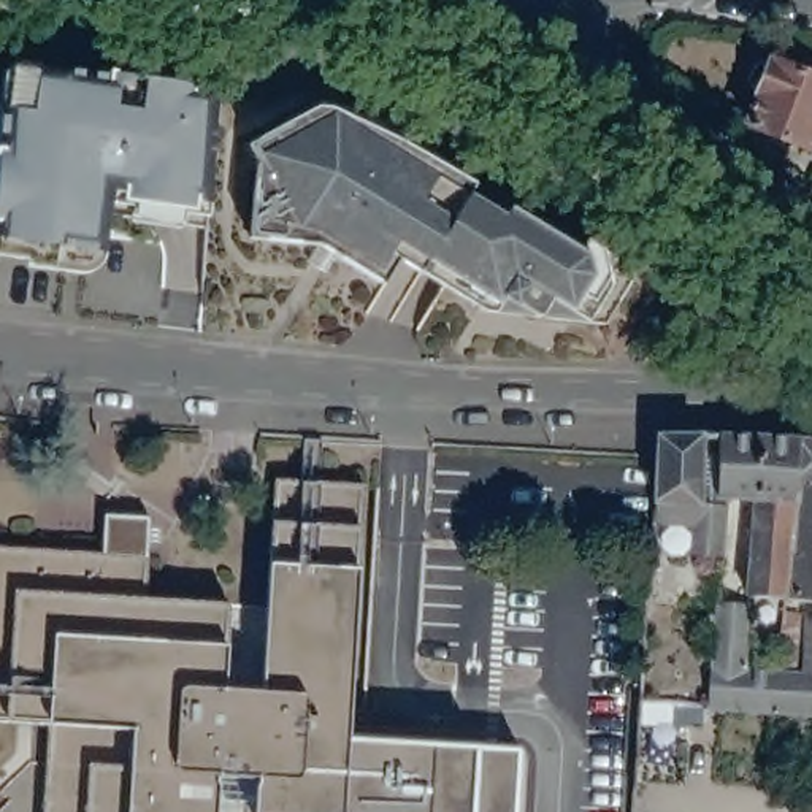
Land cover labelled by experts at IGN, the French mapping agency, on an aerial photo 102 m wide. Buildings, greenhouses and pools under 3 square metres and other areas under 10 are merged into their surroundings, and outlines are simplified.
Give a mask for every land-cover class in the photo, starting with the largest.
<instances>
[{"label":"impervious surface","instance_id":"1","mask_svg":"<svg viewBox=\"0 0 812 812\"><path fill-rule=\"evenodd\" d=\"M520 19L523 32L536 29L542 19L574 22L577 38L571 48L580 73L593 76L599 70H612L615 63H628L634 76L631 92L647 105L657 102L669 108L676 117V133L685 136L688 130H695L704 146L717 149L720 165L733 162V155L742 149L752 152L755 162L771 168L774 181L768 187V203L780 213L793 203H812V162L806 168L793 165L787 155V143L749 130L745 114L755 111V86L771 54L787 57L799 67H812V48L755 41L739 48L707 38L669 44L666 60L691 70V89H663V82L644 67L653 51L634 25L641 22V16H663L666 10L733 22L758 16L771 10H793L799 29L812 25V0H498ZM330 102L352 108L355 95L327 86L317 70L298 60H289L273 76L251 82L244 98L235 102V108L219 102V193L209 200L213 219H187L181 228H168L159 238V251L111 241H105L108 263L92 276L38 273L0 257V406L38 412L48 400L63 403V419L76 416L89 425L86 463L92 469L102 476H114V466L124 460L136 447V441L165 435L168 441H200L203 431L254 435L257 428H298L295 450L305 457V463L324 466L330 450L324 438H343L374 441L381 457V495L377 501L368 498L362 568L365 577L355 584L352 599L355 733L520 745L527 752L523 812H622L625 691L615 688V679L609 676L612 666H622L628 660V644L619 634H612V625H619L625 615V603L615 599V587L606 590V584L571 577L549 590L542 599L517 596L504 590V584L488 587L473 580L469 546L476 539H485L492 530H514L527 520L565 523L571 530V539L587 536L599 527L641 533L653 527L657 431L698 428L739 435H796L799 428L793 422H783L774 409L745 412L726 400L688 403L685 393H660L657 387L641 374L517 371L511 358L495 352L476 355L473 362L463 358L460 352L479 333L517 336L539 349H552L555 333L574 327L571 317L555 314H542L539 320H533L520 311L482 314L473 305L463 308L466 327L450 343L457 355H447L441 362L425 358V352L416 343V333L428 330L435 314L454 301L447 292L438 289V282H425L422 292H374V285L362 282L352 270L339 263L320 273L311 260L308 266H292L257 263L244 257L232 241V222L241 219L251 228L257 159L251 152V143L260 133L279 127L282 121L308 111L311 105ZM206 263H213L222 273L241 270L251 276H270L279 289L289 292V298L263 327L209 324L206 311L200 308L206 305V289H197V276L206 279ZM308 295H352L355 301L368 305V314L362 324L349 330L346 343H330L320 336L301 339L292 336L289 317L298 314ZM441 435L460 441L498 438L517 441L520 447H539L542 441H571L580 447L634 444L641 469L622 473L609 466H530L527 473H520L511 466H498L492 460H435V444ZM438 650L447 653L450 663H457L460 688L454 695L428 688L425 679L416 672V657H435ZM533 663H539L542 669L536 685L508 691L501 688L504 666ZM479 187L488 200L501 206H517V197L508 184L488 181V174L479 178ZM251 473V457L244 450L228 454L219 463V469L206 479H184L178 495L168 488H136L130 498L98 495L95 501L86 498L70 504H41L35 520L41 530H79L82 536L76 549H102L105 514H146L155 523V530L146 533V542H152L168 565L181 561L178 542L187 533L181 520L190 517L193 504L222 501L228 498L238 482H247ZM749 501L739 504L736 498H730L726 504L723 552V599L742 606L749 622H755L758 615L764 625L774 622L780 606H802V615L812 619V603L809 596H793V590L780 596L758 593L752 599L739 590V580H749ZM701 558L691 549L685 555H669L660 549L653 587L644 609V619L653 622L660 641L657 650L647 657L641 682L653 685L650 701L641 704V723L653 730L657 745H672L676 739L701 745L711 742L714 726V714L704 701L711 698L714 660L695 657L682 638L685 606L691 603V596L698 593V580L691 565ZM48 730H35L32 720H19L16 730H10L0 720V812H44ZM216 793L225 796L222 812H254L257 780H238L216 787Z\"/></svg>","mask_w":812,"mask_h":812},{"label":"building","instance_id":"2","mask_svg":"<svg viewBox=\"0 0 812 812\"><path fill-rule=\"evenodd\" d=\"M749 130L787 143V155L793 165L806 168L812 162V67H799L787 57L771 54L755 86V111L745 114ZM206 98L193 92V82L187 79H146L136 82V76L124 70L98 73L76 67L67 76H48L38 67H16L13 73H3L0 89V257L38 273L92 276L108 263L105 241H111L114 216H127L140 225L168 228H181L187 219H213L209 200L203 197ZM251 152L257 159L251 228V244L305 247L314 251L311 260L320 273L339 263L352 270L362 282L374 285V292H422L425 282H438V289L447 292L454 301L463 308L473 305L482 314L520 311L533 320H539L542 314H555L571 317L574 327L603 324V314L619 298L622 276L615 270L612 254L599 241H577L552 222H546L542 216H536L533 209L517 206H501L488 200L479 187V178L450 165L422 143H412V136L387 130L371 117L355 114L352 108L330 102L311 105L308 111L282 121L279 127L260 133L251 143ZM653 527L660 533V549L669 555H685L691 549L701 558L704 552H723L726 504L730 498H736L739 504L749 501V580H739V590L752 599L758 593L780 596L793 590V596H809L812 603V431L799 428L796 435H739L698 428L657 431ZM368 498V488L358 482H276V546L270 549V606H263L260 599L241 606L219 599L159 596L149 584V571L168 565L152 542H146V533L155 530V523L146 514H105L102 549H0V720L10 730H16L19 720H32L35 730H48L44 812H222L225 796L216 793V787L238 780H257L254 812H523L527 752L520 745L355 733L352 599L355 584L365 577L362 568ZM711 622L720 631V647L714 660L711 698L704 701L714 714L755 711L761 717H790L796 723L812 720V619L802 615V606H780L774 622L799 647V653L796 666L768 676L749 669V622L742 606L723 599L711 612Z\"/></svg>","mask_w":812,"mask_h":812},{"label":"deciduous trees","instance_id":"3","mask_svg":"<svg viewBox=\"0 0 812 812\"><path fill-rule=\"evenodd\" d=\"M63 22H76L95 29V48L102 51V57L140 67L146 79H187L193 82V92L206 98L216 95L219 102L235 108V102L244 98L251 82L273 76L289 60H298L317 70L327 86L355 95L352 108L355 114L371 117L387 130L412 136V143H422L450 165L479 178L488 174V181L508 184L517 197V206L533 209L536 216H542L546 222H552L577 241H599L612 254L615 270L622 276H638L641 289H653L660 301L672 305L676 314L666 324V336L660 343L634 339L628 346L631 352L647 358L650 371H663V381L657 387L660 393H685L688 403L726 400L745 412L774 409L783 422H793L799 428L812 431V203H793L780 213L768 203V187L774 181L771 168L755 162L752 152L742 149L733 155V162L720 165L717 149L704 146L695 130H688L685 136L676 133V117L669 108L657 102L647 105L631 92L634 76L628 63H615L612 70H599L593 76L580 73L571 48L577 38L574 22L542 19L536 29L523 32L520 19L498 0H0V51L19 54L32 41L54 38L63 29ZM755 41L812 48V25L799 29L793 10H771L758 16V22L752 25ZM168 450V441L165 435L136 441V447L124 460L133 473H152ZM228 498L238 501L244 523L260 520L266 479L251 473L247 482H238ZM187 533L193 549H219L225 542L222 501L193 504L190 517L181 520ZM473 580L488 587L504 584V590L517 596L542 599L549 590L571 577L606 584V590L615 587V599L625 603V615L619 625H612V634H619L628 644V660L622 666H612L609 676L615 679V688L625 691L641 682L647 657L657 650L660 641L653 622L644 619V609L653 587L660 549V533L653 527L641 533L599 527L587 536L571 539V530L565 523L527 520L514 530H492L485 539H476L469 546ZM682 638L695 657L714 660L720 647V631L711 622V612L691 603L685 606ZM799 653V647L774 622L764 625L758 615L755 622H749V669L768 676L796 666ZM758 790L768 796L771 806H783L790 812H812V752L793 739L787 745V758L768 771V780Z\"/></svg>","mask_w":812,"mask_h":812},{"label":"herbaceous vegetation","instance_id":"4","mask_svg":"<svg viewBox=\"0 0 812 812\"><path fill-rule=\"evenodd\" d=\"M16 67H38L48 76H67L76 67L98 73L124 70L136 76V82L146 79L140 67L102 57V51L95 48V29L76 22H63V29L54 38L32 41L19 54L0 51V89L3 73H13ZM676 314L672 305L660 301L653 289H641L638 276H622L619 298L603 314V324H619L628 346L634 339L660 343L666 336V324ZM368 314V305L355 301L352 295H308L298 314L289 317L292 336L301 339L320 336L330 343H346L349 330L362 324ZM254 444V435L203 431L200 441H168V450L152 473H133L124 460L114 466V476H102L92 469L89 488L98 495L130 498L136 488H168L178 495L184 479H206L219 469V463L228 454L244 450ZM492 460L498 466H511L520 473H527L530 466H609L622 473L641 469L634 444L580 447L571 441H542L539 447H520L517 441L498 438L460 441L441 435L435 444V460ZM330 450L324 466L305 463V457L295 450L285 460L270 463L266 479L260 520L244 523L238 501L228 498L222 501L225 542L219 549H193L187 533L178 542L181 561L168 565L149 571V584L159 596L219 599L241 606L260 599L263 606H270V549L276 546V482H358V463L381 457L374 441L343 438H324ZM41 504L13 466L0 469V514H29L35 520ZM723 580L707 574L698 580V593L691 596V603L711 612L723 599ZM416 672L425 679L428 688L454 695L460 688L457 663H450L447 653L438 650L435 657H416ZM542 669L539 663H533L504 666L501 688L508 691L536 685ZM714 726H723V749L749 752L752 745L736 739V730H749L752 736H758L761 717L755 711L714 714Z\"/></svg>","mask_w":812,"mask_h":812},{"label":"brushwood","instance_id":"5","mask_svg":"<svg viewBox=\"0 0 812 812\"><path fill-rule=\"evenodd\" d=\"M758 22V16L733 22L666 10L663 16H641V22L634 25L653 51L644 67L663 82V89H691V70L666 60L669 44L707 38L739 48L755 41L752 25ZM219 102L216 95L206 98L203 197L209 200L219 193ZM168 228L140 225L127 216H114L111 241L159 251V238ZM232 241L244 257L257 263L292 266H308L311 260L314 251L305 247L251 244V228L241 219L232 222ZM197 289H206V305L200 308L206 311L209 324L263 327L289 298V292L279 289L270 276H251L241 270L222 273L213 263H206V279L197 276ZM466 327L463 308L454 301L435 314L428 330L416 333V343L425 352V358L441 362L447 355H457L450 343ZM495 352L511 358L517 371L641 374L657 387L663 381V371H650L647 358L631 352L628 346L619 324H603L574 327L555 333L552 349H539L517 336L479 333L460 352L463 358L473 362L476 355ZM298 428H257L254 435V444L244 450L251 457V473L266 479L270 463L285 460L295 450ZM358 482L368 488V498L377 501L381 495V457L358 463ZM82 536L79 530H41L35 520L29 514H0V549H76ZM698 580L707 574L723 580V552H704L701 558L691 565ZM653 685L641 682L625 691L622 812H634L641 723V704L650 701ZM736 739L752 745L749 752L723 749V726H714L711 742V777L717 783L758 790L768 780V771L787 758V745L793 739L812 752V720L796 723L790 717H761L758 736H752L749 730H736ZM701 755V745L676 739L672 745L669 774H653V783L666 787L685 780V774L695 768V758Z\"/></svg>","mask_w":812,"mask_h":812},{"label":"coniferous trees","instance_id":"6","mask_svg":"<svg viewBox=\"0 0 812 812\"><path fill-rule=\"evenodd\" d=\"M63 403L48 400L38 412L0 406V469L13 466L41 504H70L86 498L95 501L98 495L89 488L92 469L86 463L89 425L76 416L63 419Z\"/></svg>","mask_w":812,"mask_h":812},{"label":"pervious surface","instance_id":"7","mask_svg":"<svg viewBox=\"0 0 812 812\"><path fill-rule=\"evenodd\" d=\"M711 742L701 745V755L695 758V768L685 774V780L666 787L653 783V774H669L672 745H657L653 730L641 723L634 812H790L783 806H771L768 796L758 790L717 783L711 777Z\"/></svg>","mask_w":812,"mask_h":812}]
</instances>
